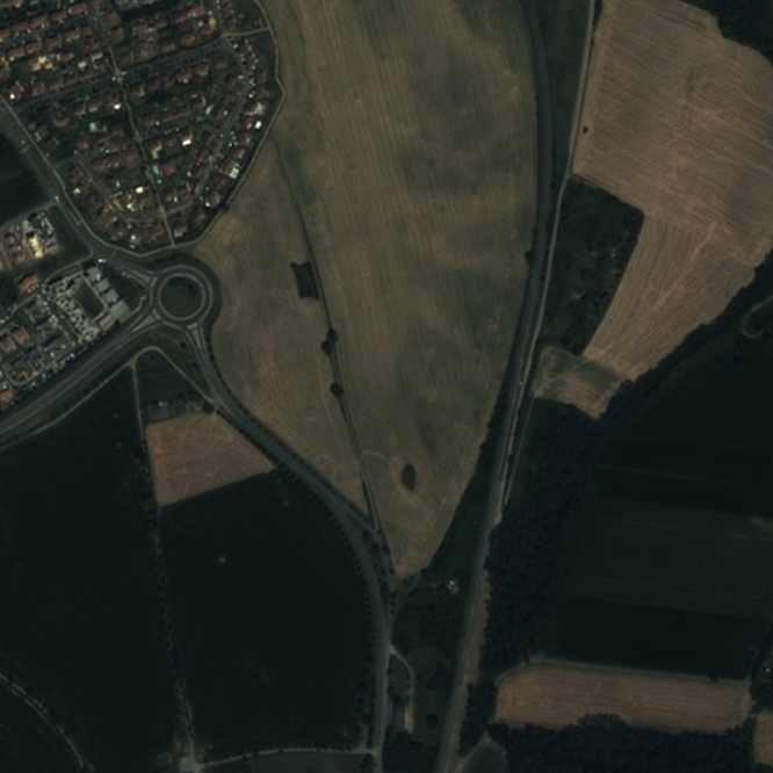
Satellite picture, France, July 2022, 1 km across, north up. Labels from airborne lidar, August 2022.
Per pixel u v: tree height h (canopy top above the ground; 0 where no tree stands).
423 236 0
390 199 0
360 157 0
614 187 0
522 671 0
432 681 14
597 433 13
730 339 0
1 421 0
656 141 0
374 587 0
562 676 0
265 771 0
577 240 0
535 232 6
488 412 0
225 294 0
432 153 0
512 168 0
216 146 0
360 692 12
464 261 0
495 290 0
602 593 0
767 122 0
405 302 0
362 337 0
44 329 0
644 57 0
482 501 7
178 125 6
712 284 0
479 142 0
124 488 0
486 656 14
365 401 0
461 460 0
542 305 0
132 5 0
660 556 0
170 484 0
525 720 0
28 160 0
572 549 0
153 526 15
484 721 16
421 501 0
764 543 0
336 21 0
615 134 0
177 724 0
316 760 0
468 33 0
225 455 0
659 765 33
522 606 26
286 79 0
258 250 0
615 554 0
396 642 10
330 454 0
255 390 0
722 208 0
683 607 0
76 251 0
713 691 0
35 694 10
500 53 0
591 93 0
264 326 0
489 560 13
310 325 0
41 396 0
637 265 0
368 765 12
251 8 0
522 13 0
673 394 0
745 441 0
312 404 0
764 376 0
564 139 0
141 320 0
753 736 0
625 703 0
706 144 0
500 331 0
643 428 0
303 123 0
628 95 0
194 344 0
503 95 0
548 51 0
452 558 6
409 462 0
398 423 0
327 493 0
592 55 0
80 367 0
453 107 0
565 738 20
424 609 8
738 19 6
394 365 0
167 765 0
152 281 0
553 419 11
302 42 0
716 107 0
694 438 0
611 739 37
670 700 0
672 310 0
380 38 0
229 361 0
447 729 0
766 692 26
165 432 0
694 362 0
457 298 0
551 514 21
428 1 0
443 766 0
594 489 27
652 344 0
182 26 0
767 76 0
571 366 0
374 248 0
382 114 0
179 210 0
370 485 0
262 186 0
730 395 0
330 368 0
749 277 0
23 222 0
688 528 0
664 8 0
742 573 0
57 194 0
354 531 0
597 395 0
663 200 0
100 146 5
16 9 7
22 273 0
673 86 0
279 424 0
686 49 0
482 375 0
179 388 0
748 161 0
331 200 0
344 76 0
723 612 0
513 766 26
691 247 0
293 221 0
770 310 0
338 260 0
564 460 19
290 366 0
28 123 7
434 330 0
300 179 0
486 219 0
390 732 13
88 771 10
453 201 0
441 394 0
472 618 0
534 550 20
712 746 17
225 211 9
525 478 9
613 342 0
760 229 0
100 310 0
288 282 0
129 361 0
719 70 0
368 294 0
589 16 0
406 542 0
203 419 0
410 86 0
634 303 0
